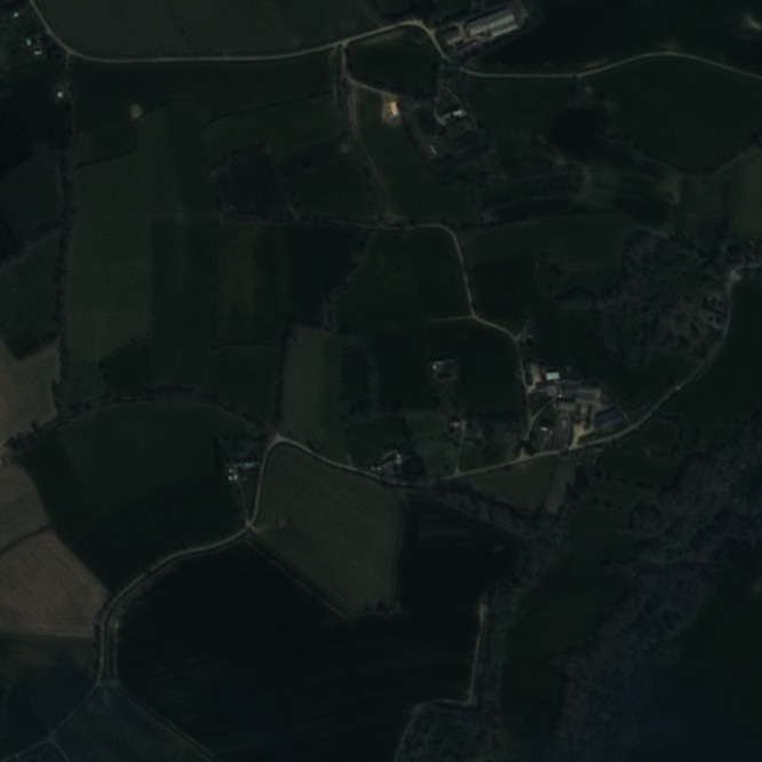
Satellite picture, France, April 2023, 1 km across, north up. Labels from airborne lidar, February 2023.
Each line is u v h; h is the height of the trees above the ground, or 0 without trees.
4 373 0
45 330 0
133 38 0
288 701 0
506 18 0
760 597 0
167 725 0
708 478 25
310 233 0
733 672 0
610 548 0
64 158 15
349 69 11
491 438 11
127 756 0
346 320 0
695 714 0
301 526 0
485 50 8
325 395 0
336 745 0
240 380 0
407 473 18
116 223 0
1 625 0
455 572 0
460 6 0
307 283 0
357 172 0
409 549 0
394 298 0
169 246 0
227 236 0
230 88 0
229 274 0
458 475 0
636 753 0
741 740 0
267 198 0
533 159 0
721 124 0
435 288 0
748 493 0
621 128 0
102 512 0
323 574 0
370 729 0
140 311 0
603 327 17
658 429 0
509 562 0
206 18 0
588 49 0
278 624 0
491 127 0
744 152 12
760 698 0
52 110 0
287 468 0
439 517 0
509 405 0
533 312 0
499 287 0
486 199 0
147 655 0
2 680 12
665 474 0
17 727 0
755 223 0
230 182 0
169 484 0
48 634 0
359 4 0
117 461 0
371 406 14
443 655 0
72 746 0
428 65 0
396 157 0
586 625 0
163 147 0
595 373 0
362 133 0
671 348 10
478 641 0
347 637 0
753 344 0
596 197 0
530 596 0
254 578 0
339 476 0
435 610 0
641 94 0
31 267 0
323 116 0
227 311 0
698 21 0
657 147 0
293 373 0
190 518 0
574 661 22
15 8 13
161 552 0
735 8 0
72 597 0
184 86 0
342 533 0
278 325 0
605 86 0
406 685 0
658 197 0
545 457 0
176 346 0
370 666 0
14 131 0
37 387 0
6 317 0
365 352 11
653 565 7
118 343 0
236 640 0
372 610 7
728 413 0
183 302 0
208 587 0
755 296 0
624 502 0
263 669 0
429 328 0
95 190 0
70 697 0
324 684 0
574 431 0
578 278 0
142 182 0
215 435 0
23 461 0
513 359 0
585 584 0
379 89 9
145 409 0
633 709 18
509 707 0
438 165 7
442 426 0
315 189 0
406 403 0
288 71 0
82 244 0
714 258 13
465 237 7
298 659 0
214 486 0
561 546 7
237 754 0
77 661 0
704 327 7
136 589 0
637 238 7
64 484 0
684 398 0
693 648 0
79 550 0
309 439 0
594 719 17
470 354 0
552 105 0
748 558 0
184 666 0
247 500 0
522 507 0
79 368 0
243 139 0
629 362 18
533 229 0
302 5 0
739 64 0
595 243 0
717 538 19
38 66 0
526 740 0
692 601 17
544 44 0
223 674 0
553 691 0
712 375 0
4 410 0
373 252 0
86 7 0
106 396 8
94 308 0
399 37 0
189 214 0
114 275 0
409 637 0
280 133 0
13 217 0
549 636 0
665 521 21
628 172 0
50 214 0
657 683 0
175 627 0
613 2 0
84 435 0
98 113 0
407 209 0
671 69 0
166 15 0
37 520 0
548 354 0
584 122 0
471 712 10
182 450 0
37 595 0
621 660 29
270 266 0
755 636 0
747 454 29
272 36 0
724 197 0
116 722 0
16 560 0
